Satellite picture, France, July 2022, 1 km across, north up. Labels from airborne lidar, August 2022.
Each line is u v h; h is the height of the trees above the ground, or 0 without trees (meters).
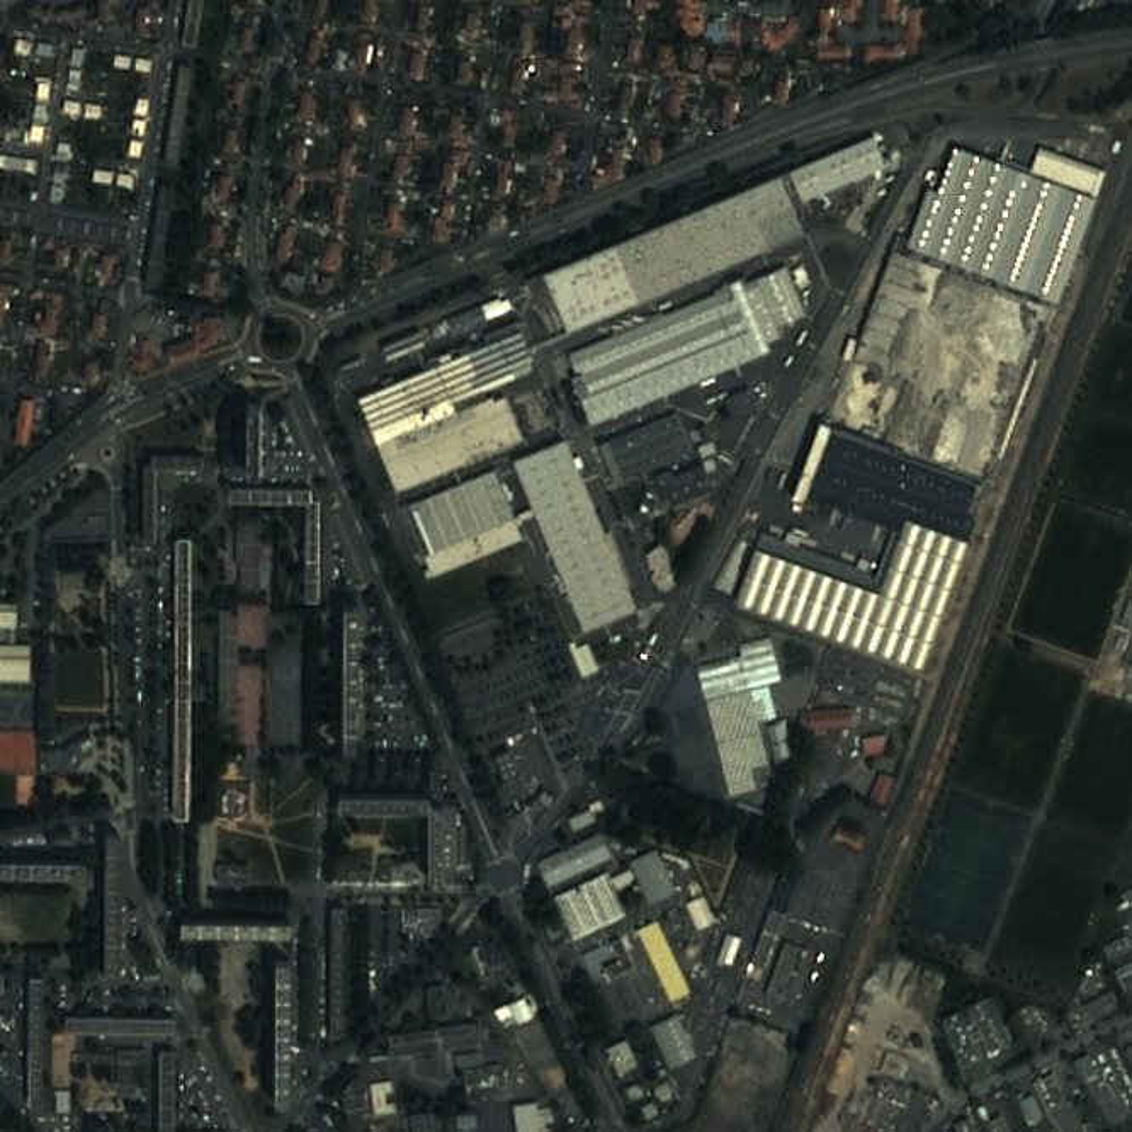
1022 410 0
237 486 0
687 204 11
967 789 0
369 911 7
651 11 7
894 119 0
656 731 10
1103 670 0
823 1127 0
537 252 9
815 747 12
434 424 0
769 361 0
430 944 11
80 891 0
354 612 0
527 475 0
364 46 0
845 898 0
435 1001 0
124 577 0
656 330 0
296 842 0
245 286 13
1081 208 0
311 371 12
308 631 12
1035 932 0
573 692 0
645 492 6
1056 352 0
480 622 0
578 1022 11
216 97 0
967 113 0
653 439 0
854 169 0
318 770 14
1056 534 0
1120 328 0
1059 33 8
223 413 11
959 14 18
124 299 0
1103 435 0
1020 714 0
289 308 0
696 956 0
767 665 0
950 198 0
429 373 0
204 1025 8
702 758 0
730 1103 0
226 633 0
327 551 0
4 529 11
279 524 9
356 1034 13
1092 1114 0
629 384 0
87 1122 0
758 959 0
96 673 0
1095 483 0
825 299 0
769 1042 0
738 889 0
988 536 0
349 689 0
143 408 0
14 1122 19
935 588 0
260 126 12
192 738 12
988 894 0
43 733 19
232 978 0
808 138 0
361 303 0
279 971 0
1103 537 0
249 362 0
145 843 16
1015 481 0
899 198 0
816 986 0
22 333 0
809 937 0
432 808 0
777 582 0
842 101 0
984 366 0
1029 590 0
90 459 0
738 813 9
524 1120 0
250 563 0
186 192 12
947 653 0
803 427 0
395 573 12
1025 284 0
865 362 0
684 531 0
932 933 0
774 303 0
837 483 0
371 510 15
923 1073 0
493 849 0
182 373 0
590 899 0
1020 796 0
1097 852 0
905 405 0
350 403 0
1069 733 0
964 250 0
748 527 0
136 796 0
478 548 0
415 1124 0
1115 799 0
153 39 7
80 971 8
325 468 0
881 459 0
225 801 0
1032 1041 0
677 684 0
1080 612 0
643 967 0
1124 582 0
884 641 0
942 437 0
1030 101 0
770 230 0
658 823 11
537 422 0
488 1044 0
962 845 0
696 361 0
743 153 0
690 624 0
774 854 22
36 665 8
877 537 0
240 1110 0
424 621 9
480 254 0
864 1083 0
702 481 0
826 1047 0
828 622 0
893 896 0
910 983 0
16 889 10
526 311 0
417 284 0
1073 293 0
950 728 0
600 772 17
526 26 0
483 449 0
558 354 0
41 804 16
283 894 14
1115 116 0
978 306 0
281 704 0
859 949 0
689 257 0
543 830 0
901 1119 0
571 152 6
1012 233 0
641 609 0
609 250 0
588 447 0
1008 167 0
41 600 12
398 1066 0
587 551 0
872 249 0
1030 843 0
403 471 0
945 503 0
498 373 0
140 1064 9
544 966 0
